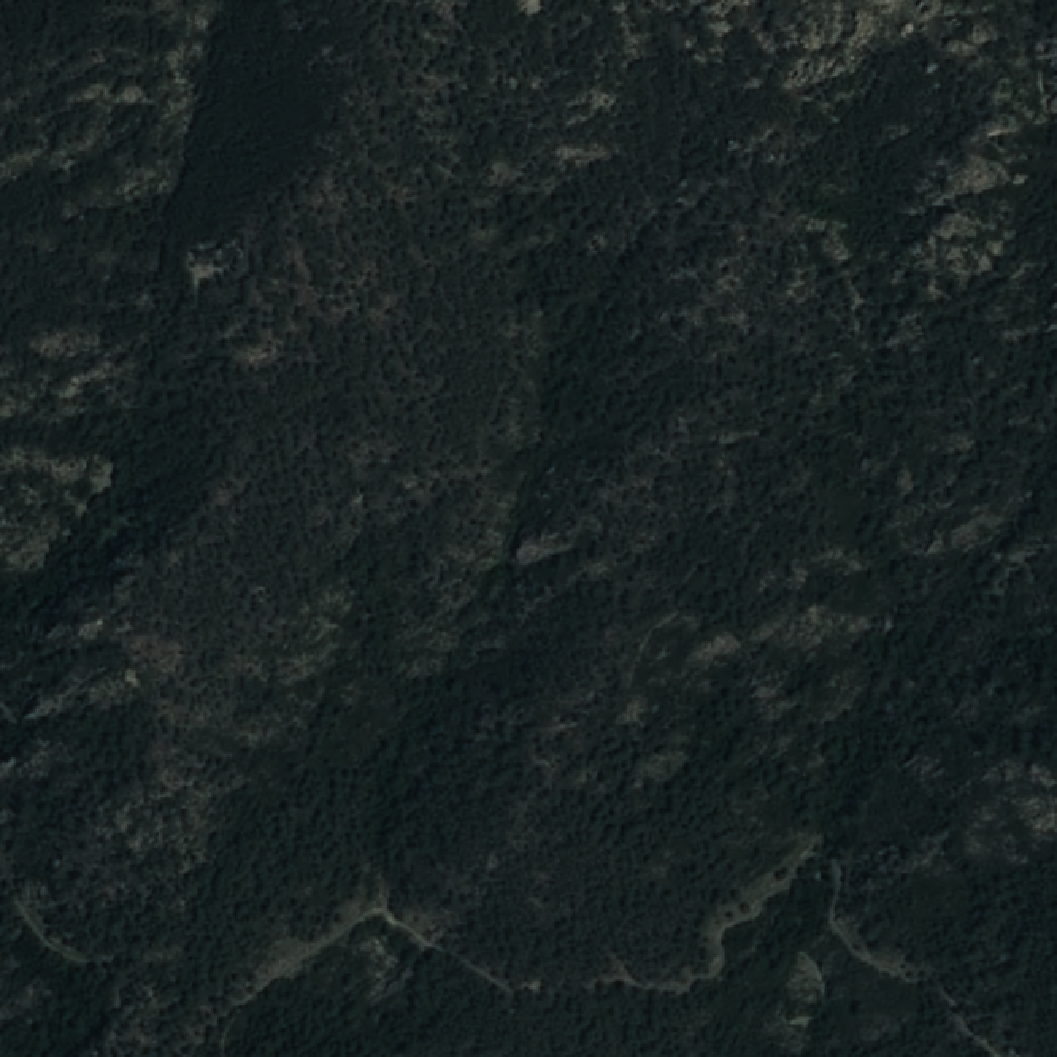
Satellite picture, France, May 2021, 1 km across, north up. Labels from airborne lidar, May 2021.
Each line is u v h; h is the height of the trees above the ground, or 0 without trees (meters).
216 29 16
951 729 6
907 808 6
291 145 12
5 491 12
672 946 20
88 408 27
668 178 14
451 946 23
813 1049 14
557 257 27
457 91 23
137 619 15
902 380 17
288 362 21
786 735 20
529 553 0
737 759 32
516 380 20
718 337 19
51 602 11
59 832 23
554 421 13
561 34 16
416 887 18
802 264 17
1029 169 6
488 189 10
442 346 18
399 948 14
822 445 16
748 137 14
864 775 17
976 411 21
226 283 21
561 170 18
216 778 19
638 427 14
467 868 16
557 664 17
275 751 6
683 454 18
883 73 20
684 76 23
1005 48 13
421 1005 24
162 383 17
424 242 24
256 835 20
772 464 30
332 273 16
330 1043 19
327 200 11
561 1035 23
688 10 18
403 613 13
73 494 5
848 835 8
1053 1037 7
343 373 21
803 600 16
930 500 19
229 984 18
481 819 21
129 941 20
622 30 16
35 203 13
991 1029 19
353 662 9
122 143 16
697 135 16
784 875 16
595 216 11
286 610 19
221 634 20
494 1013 22
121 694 12
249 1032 11
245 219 11
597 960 21
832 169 19
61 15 10
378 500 23
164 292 14
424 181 22
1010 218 13
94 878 13
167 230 12
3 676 10
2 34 12
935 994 18
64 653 19
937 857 7
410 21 22
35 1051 18
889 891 16
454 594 13
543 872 19
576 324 15
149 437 20
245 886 29
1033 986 15
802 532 15
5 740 13
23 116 12
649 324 15
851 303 16
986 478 18
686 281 18
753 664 17
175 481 14
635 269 21
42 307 14
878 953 28
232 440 22
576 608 19
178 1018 23
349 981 26
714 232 20
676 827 26
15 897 16
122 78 14
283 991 13
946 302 24
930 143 16
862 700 9
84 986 19
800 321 17
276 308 17
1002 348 22
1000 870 8
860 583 6
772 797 7
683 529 6
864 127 19
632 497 12
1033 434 16
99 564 9
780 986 7
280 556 21
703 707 12
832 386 22
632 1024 20
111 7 12
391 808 18
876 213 18
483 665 6
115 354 7
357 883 18
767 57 20
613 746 23
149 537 6
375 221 24
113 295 10
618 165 19
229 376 18
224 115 11
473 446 19
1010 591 7
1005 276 25
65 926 13
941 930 9
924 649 20
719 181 20
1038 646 12
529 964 18
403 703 19
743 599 19
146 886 12
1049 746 19
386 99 19
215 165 13
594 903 21
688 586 18
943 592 13
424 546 22
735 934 8
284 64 10
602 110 17
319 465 20
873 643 14
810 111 20
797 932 20
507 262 6
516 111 15
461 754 21
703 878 19
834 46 7
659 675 6
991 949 28
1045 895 15
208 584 18
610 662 20
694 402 18
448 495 21
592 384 17
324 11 10
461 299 25
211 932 24
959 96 14
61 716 6
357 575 28
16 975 10
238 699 19
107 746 19
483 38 21
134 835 19
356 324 23
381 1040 7
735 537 20
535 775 14
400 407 7
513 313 19
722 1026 17
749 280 15
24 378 16
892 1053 17
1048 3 18
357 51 13
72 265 13
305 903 6
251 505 22
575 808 23
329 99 10
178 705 15
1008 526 13
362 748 8
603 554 15
